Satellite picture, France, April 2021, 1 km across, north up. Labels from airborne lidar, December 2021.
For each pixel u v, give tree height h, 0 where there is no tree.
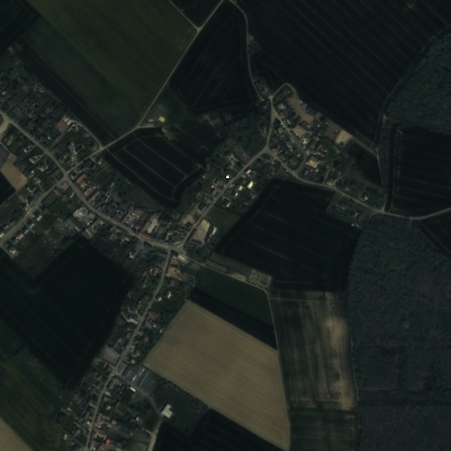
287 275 0
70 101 0
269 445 0
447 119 23
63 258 0
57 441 0
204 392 0
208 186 0
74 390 0
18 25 0
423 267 25
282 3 0
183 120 0
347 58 0
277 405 0
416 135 0
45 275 0
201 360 0
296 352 0
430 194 0
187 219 0
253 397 0
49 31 0
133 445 0
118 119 0
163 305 0
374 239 20
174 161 0
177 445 0
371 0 0
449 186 0
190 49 0
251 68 0
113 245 0
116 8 0
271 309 0
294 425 0
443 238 0
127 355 0
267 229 0
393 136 0
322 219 0
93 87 0
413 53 0
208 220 0
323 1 0
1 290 0
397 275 12
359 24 0
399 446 25
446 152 0
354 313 17
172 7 0
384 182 8
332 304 0
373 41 0
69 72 0
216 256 0
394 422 26
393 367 24
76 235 6
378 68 0
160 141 0
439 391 10
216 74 0
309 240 0
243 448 0
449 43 13
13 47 0
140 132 0
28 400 0
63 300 0
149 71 0
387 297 18
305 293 0
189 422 0
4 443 0
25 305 0
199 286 0
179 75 0
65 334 0
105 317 0
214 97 0
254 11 0
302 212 0
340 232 0
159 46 0
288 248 0
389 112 8
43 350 0
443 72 20
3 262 0
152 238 0
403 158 0
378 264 23
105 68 0
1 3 0
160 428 0
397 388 11
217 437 0
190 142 0
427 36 0
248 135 12
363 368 20
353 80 0
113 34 0
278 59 0
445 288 22
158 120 0
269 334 0
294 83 0
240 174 0
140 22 0
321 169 11
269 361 0
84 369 0
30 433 0
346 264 0
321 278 0
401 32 0
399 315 18
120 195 8
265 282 0
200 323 0
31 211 0
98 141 0
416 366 23
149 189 0
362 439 16
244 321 0
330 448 0
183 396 0
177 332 0
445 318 19
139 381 0
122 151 0
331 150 0
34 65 0
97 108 0
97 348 0
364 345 20
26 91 0
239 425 0
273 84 0
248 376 0
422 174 0
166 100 0
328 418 0
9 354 0
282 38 0
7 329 0
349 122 0
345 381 0
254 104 0
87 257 0
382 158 9
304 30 0
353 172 0
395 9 0
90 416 7
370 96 0
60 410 0
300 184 0
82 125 0
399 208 0
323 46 0
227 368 0
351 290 18
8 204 0
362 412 17
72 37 0
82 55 0
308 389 0
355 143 0
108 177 0
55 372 0
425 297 15
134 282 0
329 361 0
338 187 13
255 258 0
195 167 0
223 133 0
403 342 21
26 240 0
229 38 0
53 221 0
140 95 0
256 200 0
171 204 0
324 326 0
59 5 0
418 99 19
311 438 0
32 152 7
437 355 26
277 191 0
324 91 0
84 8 0
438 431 24
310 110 0
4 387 0
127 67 0
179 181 0
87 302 0
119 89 0
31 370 0
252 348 0
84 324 0
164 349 0
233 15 0
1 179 0
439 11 0
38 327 0
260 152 0
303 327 0
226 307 0
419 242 18
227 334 0
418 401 5
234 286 0
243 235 0
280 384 0
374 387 19
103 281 0
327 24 0
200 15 0
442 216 0
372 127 0
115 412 0
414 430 26
